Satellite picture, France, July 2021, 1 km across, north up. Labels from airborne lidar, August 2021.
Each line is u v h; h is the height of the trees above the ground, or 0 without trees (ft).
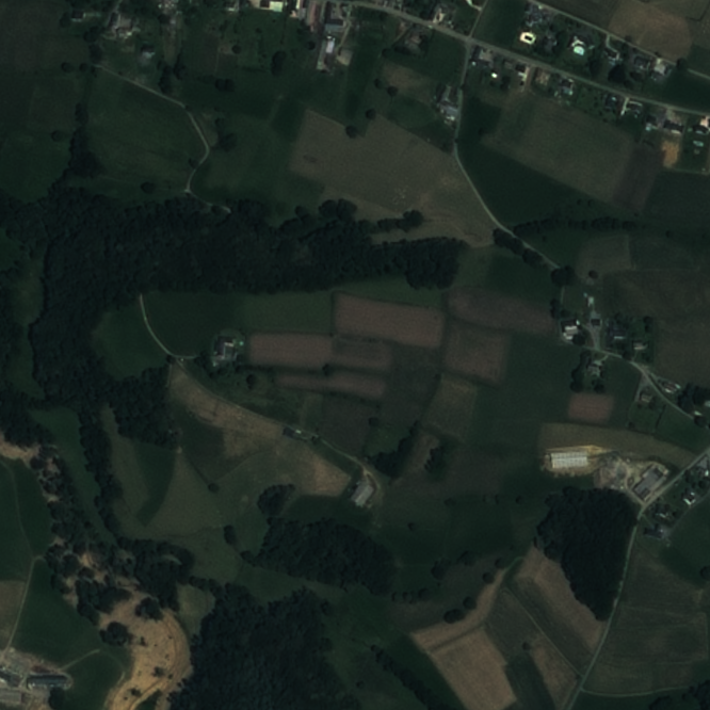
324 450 0
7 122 0
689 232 0
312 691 77
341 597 0
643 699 0
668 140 0
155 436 51
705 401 82
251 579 0
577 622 0
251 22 0
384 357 0
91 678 0
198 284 49
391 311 0
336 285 18
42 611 0
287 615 68
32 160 0
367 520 0
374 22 0
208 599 0
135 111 0
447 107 0
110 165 0
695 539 0
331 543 83
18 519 0
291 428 0
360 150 0
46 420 0
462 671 0
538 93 0
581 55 0
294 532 75
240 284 49
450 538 0
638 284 0
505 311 0
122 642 72
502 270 0
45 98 0
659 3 0
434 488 0
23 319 0
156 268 68
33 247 50
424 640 0
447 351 0
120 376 0
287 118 0
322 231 53
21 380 0
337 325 0
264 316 0
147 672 0
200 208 76
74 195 69
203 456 0
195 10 19
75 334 63
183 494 0
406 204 0
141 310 0
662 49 0
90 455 54
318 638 90
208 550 0
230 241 49
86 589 88
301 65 0
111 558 20
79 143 62
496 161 0
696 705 0
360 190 0
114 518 78
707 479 29
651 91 0
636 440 0
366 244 58
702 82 0
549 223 50
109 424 0
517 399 0
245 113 0
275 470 0
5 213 66
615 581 101
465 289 0
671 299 0
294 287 51
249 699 80
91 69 21
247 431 0
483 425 0
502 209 0
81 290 84
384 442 0
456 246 54
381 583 81
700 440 0
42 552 0
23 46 0
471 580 0
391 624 0
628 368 0
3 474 0
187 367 0
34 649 0
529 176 0
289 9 30
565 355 0
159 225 68
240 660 66
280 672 71
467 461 0
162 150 0
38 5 0
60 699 63
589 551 105
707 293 0
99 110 0
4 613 0
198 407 0
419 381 0
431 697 70
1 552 0
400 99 0
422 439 0
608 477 0
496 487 0
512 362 0
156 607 109
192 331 0
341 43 0
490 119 0
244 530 0
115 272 62
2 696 0
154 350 0
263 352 0
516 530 0
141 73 0
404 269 90
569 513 61
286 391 0
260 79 0
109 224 86
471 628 0
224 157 0
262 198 0
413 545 0
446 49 0
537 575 0
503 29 0
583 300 0
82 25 0
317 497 0
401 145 0
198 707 96
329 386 0
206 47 0
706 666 0
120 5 25
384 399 0
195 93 0
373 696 0
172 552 62
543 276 0
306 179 0
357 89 0
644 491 0
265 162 0
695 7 0
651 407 19
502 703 0
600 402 0
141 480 0
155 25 0
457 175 0
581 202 23
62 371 73
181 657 0
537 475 0
